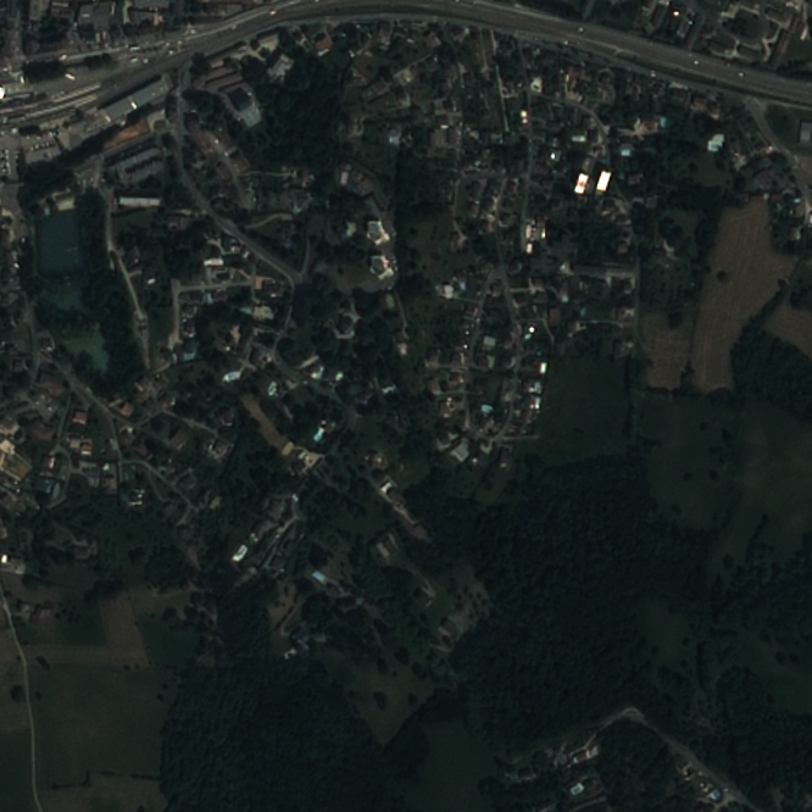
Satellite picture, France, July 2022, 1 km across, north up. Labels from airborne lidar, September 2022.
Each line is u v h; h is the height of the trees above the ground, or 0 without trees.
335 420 18
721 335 0
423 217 14
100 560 6
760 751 23
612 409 0
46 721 0
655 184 7
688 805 9
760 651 0
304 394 0
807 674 0
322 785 19
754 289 0
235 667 23
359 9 0
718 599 11
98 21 0
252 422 18
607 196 8
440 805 0
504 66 22
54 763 0
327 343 19
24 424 15
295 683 16
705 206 9
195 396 9
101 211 20
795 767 19
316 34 0
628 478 23
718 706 7
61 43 0
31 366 10
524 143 12
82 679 0
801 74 10
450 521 27
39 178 22
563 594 23
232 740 12
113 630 0
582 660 21
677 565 25
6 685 0
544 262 0
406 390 13
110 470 0
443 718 8
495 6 0
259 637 19
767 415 0
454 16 0
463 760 0
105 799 0
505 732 24
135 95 0
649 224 25
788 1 0
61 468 0
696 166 11
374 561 21
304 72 20
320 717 12
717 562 0
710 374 0
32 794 0
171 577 7
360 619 23
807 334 0
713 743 24
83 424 6
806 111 0
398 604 22
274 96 14
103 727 0
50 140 0
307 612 15
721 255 0
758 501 0
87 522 8
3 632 0
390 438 7
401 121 7
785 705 0
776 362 16
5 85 0
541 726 23
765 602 30
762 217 0
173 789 12
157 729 0
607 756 11
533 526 30
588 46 0
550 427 0
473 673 22
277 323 12
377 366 21
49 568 9
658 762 10
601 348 7
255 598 21
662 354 0
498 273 0
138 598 0
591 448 0
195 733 16
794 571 13
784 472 0
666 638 0
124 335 14
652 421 0
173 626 10
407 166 14
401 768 11
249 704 13
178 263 19
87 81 0
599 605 23
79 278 18
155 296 13
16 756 0
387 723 0
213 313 22
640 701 19
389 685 0
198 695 13
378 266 0
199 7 8
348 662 0
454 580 7
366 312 21
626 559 27
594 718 22
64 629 0
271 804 23
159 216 9
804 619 24
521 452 0
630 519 26
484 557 16
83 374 17
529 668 25
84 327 26
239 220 14
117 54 0
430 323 6
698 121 11
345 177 0
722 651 7
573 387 0
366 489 20
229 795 8
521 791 14
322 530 21
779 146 0
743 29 7
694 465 0
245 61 0
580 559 27
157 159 0
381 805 17
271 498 6
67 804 0
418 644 23
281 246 6
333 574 0
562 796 15
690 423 0
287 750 25
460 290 6
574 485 24
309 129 26
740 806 11
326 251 20
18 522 7
